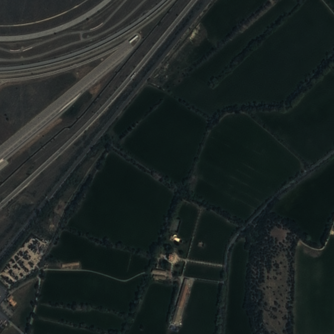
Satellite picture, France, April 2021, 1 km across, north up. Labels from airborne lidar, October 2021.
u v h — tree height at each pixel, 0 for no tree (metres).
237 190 0
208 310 0
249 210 0
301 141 0
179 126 0
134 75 0
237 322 0
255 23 0
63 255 0
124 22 0
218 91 0
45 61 0
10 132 0
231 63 7
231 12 0
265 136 0
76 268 0
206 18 0
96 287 0
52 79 0
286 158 0
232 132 0
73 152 0
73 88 0
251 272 7
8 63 0
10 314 0
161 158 0
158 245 23
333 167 0
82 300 0
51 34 0
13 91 0
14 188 0
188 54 0
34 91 0
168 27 0
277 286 0
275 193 7
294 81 0
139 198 0
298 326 0
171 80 0
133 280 0
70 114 0
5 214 0
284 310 0
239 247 0
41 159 0
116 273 0
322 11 0
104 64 0
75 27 0
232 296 0
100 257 0
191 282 0
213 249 0
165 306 0
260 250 6
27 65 0
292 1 0
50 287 0
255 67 0
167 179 14
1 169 0
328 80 0
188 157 0
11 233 0
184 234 0
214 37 0
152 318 0
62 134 0
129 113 0
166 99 0
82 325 10
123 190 0
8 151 0
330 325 0
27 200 0
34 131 0
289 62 0
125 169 0
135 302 8
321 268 0
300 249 0
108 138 6
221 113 15
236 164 0
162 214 0
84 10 0
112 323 0
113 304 0
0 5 0
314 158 0
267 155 0
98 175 0
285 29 0
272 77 0
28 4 0
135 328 0
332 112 0
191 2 0
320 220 0
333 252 0
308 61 0
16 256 0
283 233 0
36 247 0
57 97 0
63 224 15
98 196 0
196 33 0
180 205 24
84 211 0
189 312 0
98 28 0
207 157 0
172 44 0
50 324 0
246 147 0
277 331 0
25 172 0
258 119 12
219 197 0
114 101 0
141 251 16
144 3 0
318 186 0
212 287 0
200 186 0
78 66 0
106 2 0
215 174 0
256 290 8
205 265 9
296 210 0
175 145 0
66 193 0
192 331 0
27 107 0
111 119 0
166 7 0
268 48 0
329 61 13
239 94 0
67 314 0
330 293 0
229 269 11
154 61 0
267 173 0
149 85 0
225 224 0
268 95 0
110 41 0
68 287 0
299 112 0
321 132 0
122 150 11
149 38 0
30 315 9
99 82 0
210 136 0
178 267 13
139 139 0
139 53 0
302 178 9
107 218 0
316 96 0
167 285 16
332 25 0
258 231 8
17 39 0
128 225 0
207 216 0
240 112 10
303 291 0
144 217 0
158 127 0
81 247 0
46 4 0
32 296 0
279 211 0
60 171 0
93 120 0
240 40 0
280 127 0
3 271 0
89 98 0
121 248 14
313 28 0
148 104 0
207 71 0
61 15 0
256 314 8
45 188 0
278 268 6
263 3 0
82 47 0
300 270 0
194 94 0
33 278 19
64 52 0
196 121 0
